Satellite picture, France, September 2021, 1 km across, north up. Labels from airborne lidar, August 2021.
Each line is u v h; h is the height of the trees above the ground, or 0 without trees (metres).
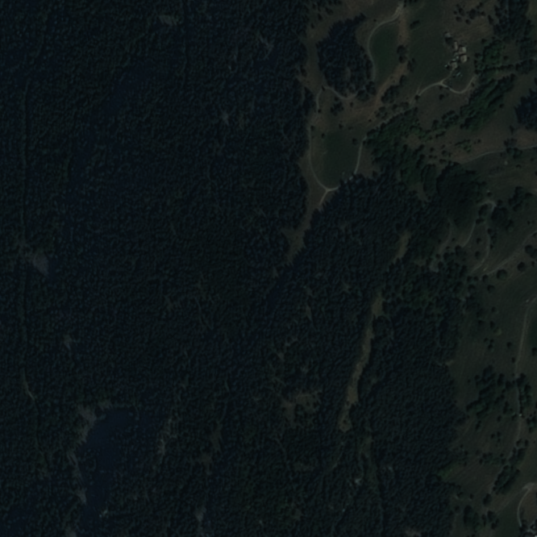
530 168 0
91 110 11
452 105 0
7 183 18
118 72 15
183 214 7
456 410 24
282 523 7
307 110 15
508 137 0
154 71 11
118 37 23
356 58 11
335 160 0
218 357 15
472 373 0
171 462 20
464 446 7
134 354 21
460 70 8
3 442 18
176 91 16
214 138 15
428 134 9
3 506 22
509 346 9
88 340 13
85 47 22
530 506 0
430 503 29
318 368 13
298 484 22
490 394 15
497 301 0
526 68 12
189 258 6
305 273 12
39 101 16
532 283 0
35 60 7
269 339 10
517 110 0
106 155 21
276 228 23
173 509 15
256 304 21
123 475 14
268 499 12
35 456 17
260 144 9
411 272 15
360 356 15
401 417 20
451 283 19
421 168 15
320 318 22
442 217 23
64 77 9
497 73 9
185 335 20
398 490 26
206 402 12
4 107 9
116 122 12
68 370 20
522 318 0
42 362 14
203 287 8
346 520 21
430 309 13
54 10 17
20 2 19
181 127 20
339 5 7
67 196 9
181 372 7
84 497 0
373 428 31
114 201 20
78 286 7
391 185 17
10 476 26
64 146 19
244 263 8
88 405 13
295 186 16
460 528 0
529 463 0
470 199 21
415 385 19
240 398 17
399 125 13
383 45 0
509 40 12
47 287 15
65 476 16
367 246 21
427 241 21
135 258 19
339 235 14
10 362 24
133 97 11
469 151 11
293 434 11
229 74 17
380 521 15
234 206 18
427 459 28
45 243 20
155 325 19
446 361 18
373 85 10
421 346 27
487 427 0
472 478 0
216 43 19
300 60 16
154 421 20
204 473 13
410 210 20
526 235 0
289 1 15
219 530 16
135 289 15
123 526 13
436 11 0
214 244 8
